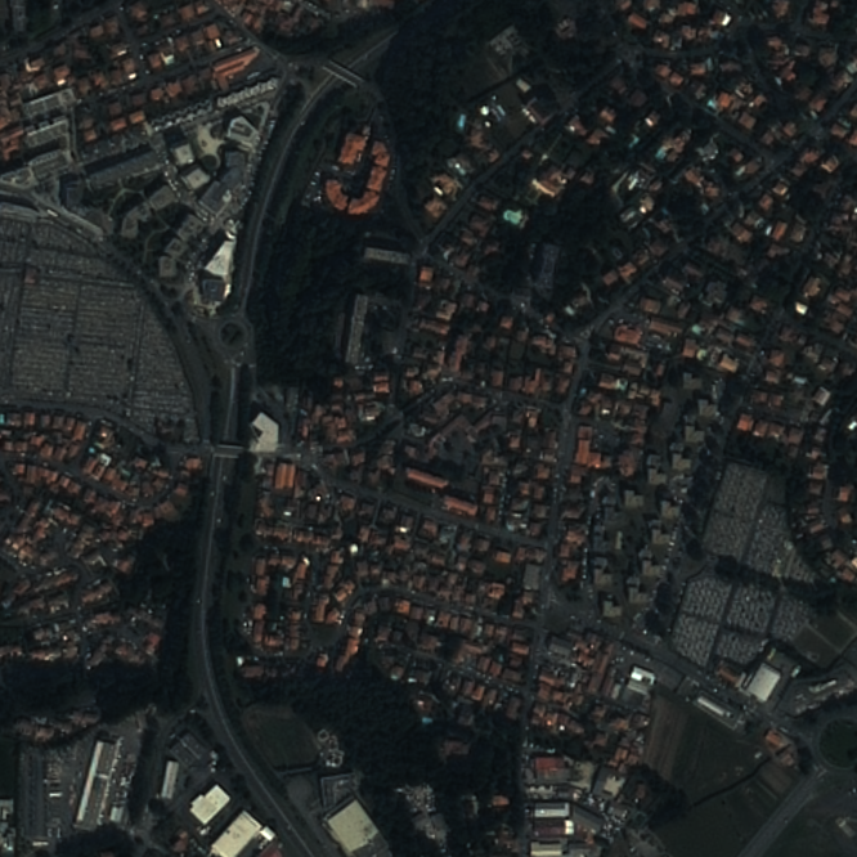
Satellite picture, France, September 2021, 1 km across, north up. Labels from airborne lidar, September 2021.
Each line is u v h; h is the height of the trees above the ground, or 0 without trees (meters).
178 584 13
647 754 0
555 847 0
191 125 0
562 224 19
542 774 0
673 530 0
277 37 7
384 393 6
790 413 0
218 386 10
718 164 9
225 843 0
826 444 9
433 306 10
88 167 0
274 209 11
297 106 11
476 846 11
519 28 17
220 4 0
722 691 0
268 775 10
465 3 18
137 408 0
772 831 0
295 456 0
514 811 16
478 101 6
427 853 8
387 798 23
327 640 0
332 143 11
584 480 7
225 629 12
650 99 17
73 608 0
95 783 0
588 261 23
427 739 16
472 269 0
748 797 0
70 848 17
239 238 11
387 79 18
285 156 0
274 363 12
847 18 6
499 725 23
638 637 0
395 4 17
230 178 0
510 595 7
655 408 6
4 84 0
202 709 7
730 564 12
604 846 13
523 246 15
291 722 0
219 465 0
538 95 17
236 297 11
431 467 16
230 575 9
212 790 0
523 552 0
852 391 10
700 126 14
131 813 13
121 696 22
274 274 8
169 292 6
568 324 13
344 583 0
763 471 18
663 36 0
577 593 10
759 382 6
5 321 0
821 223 5
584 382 8
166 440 7
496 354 10
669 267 10
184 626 13
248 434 10
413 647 8
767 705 0
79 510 6
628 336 0
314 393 18
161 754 0
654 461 0
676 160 9
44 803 0
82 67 10
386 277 21
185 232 0
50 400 0
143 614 0
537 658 0
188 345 0
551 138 6
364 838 0
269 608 17
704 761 0
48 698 20
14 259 0
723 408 12
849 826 0
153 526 10
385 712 26
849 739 0
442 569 6
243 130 0
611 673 0
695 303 9
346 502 0
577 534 0
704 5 12
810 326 15
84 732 5
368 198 0
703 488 19
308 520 7
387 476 9
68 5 6
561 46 12
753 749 0
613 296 11
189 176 0
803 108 7
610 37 14
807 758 15
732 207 13
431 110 19
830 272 8
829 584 7
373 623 6
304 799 0
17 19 0
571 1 12
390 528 6
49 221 0
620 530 0
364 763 16
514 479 10
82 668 8
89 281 0
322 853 0
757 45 24
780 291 26
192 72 9
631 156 7
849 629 0
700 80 7
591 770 0
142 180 9
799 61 7
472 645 0
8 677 13
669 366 7
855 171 12
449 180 0
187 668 10
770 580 11
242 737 11
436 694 20
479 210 8
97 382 0
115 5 0
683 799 12
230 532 6
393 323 11
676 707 0
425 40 22
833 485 10
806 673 6
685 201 12
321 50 13
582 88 18
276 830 6
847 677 0
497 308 7
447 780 17
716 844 0
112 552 0
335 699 28
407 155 14
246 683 11
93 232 0
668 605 15
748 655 0
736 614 0
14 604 7
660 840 0
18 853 8
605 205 23
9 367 0
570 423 0
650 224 9
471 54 19
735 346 7
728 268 13
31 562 0
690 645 0
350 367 13
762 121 8
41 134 0
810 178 9
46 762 0
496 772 20
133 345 0
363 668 17
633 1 9
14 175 0
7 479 10
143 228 18
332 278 18
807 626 0
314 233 22
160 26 10
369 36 15
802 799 0
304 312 22
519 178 12
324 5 12
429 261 6
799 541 8
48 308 0
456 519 0
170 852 6
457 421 0
